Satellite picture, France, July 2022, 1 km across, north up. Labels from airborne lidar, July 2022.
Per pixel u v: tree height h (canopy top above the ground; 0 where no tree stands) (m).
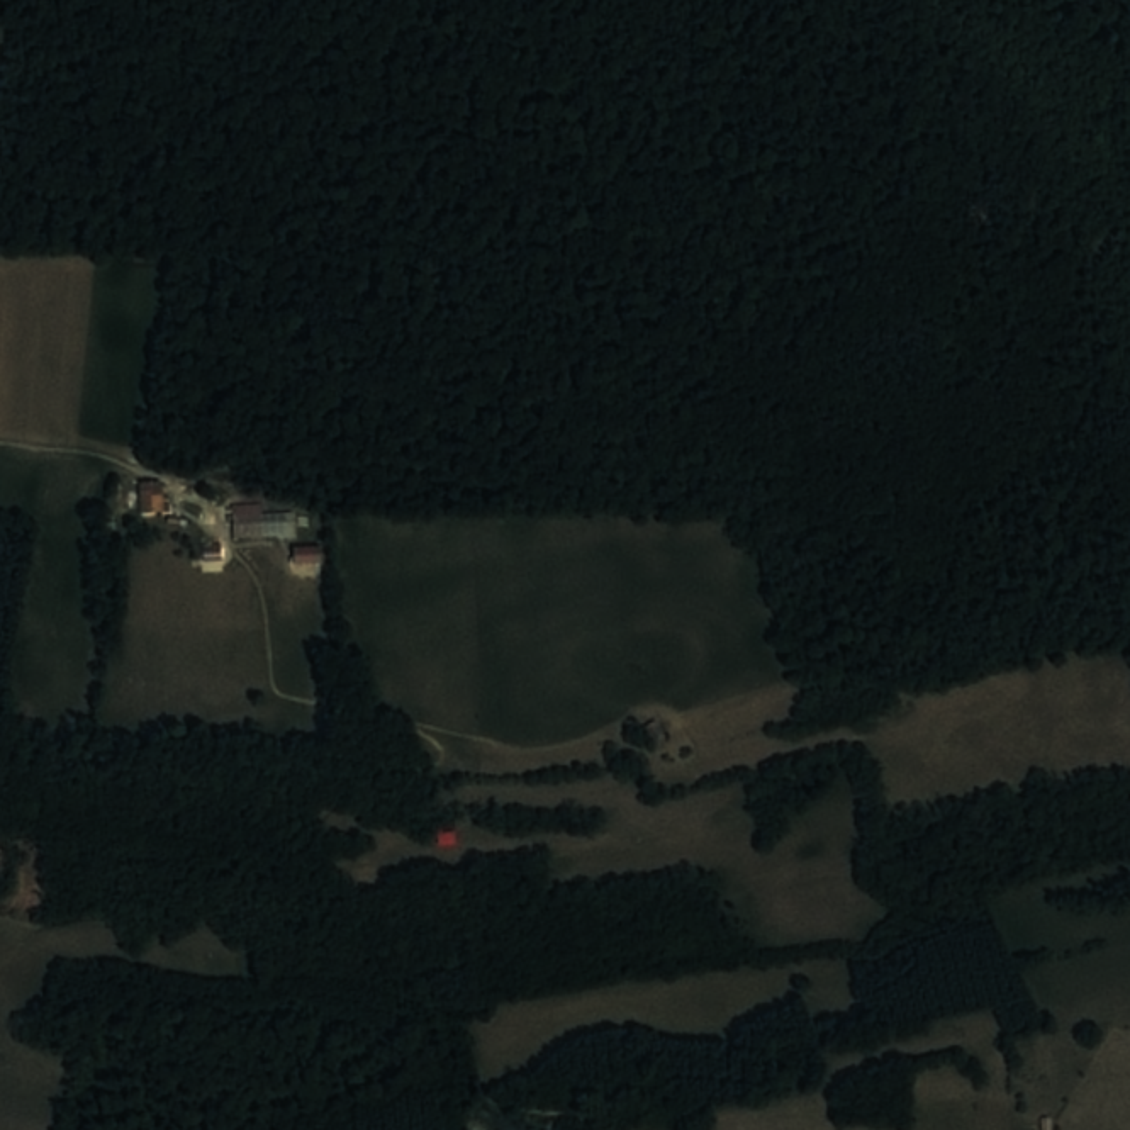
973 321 13
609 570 0
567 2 22
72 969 16
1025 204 22
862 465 20
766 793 22
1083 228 24
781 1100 25
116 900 20
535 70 21
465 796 0
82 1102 7
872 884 16
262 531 0
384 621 0
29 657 0
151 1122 10
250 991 18
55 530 0
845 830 0
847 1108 24
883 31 22
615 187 21
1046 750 0
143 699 0
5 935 0
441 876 25
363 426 19
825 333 24
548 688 0
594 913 17
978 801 17
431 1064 29
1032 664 19
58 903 13
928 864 15
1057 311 20
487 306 24
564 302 26
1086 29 27
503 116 25
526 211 23
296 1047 23
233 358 28
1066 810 28
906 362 24
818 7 22
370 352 13
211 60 20
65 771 19
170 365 26
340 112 26
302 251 20
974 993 19
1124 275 21
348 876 18
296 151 25
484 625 0
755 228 26
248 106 23
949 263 17
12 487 0
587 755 0
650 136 23
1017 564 16
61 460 0
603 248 23
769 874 0
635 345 26
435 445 28
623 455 25
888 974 21
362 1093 29
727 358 23
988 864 22
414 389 24
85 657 0
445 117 26
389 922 18
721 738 0
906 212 19
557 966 23
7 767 25
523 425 26
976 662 22
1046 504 28
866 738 0
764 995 0
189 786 18
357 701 29
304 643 0
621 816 0
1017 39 23
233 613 0
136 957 17
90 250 20
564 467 23
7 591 21
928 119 21
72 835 9
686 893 20
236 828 18
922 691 20
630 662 0
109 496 8
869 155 21
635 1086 14
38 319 0
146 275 0
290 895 20
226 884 21
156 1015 30
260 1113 31
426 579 0
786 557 23
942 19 16
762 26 22
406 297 11
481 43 24
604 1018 0
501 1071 0
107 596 16
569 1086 13
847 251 22
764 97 18
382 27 24
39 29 14
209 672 0
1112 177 23
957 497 16
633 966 12
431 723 0
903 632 26
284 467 24
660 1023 0
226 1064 24
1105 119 25
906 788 0
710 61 25
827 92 17
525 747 0
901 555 22
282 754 16
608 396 27
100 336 0
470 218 21
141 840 12
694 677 0
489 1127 0
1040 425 23
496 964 18
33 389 0
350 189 23
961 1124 0
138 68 21
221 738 20
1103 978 0
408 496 22
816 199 26
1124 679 0
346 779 20
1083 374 23
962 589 19
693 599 0
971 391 27
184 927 17
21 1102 0
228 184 25
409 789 18
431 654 0
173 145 27
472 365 22
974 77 17
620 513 24
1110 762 0
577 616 0
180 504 0
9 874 14
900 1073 24
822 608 8
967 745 0
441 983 25
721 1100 18
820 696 11
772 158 25
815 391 22
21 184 19
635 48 18
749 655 0
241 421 19
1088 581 19
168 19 26
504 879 28
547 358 22
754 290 29
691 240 22
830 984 0
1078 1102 0
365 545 0
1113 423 23
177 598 0
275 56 22
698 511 25
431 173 27
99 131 27
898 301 19
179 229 21
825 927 0
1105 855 14
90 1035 21
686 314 28
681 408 26
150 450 25
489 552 0
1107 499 12
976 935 22
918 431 21
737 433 22
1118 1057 0
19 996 0
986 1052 0
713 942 17
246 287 29
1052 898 18
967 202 18
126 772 19
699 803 0
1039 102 13
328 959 26
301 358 23
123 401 0
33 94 20
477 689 0
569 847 0
